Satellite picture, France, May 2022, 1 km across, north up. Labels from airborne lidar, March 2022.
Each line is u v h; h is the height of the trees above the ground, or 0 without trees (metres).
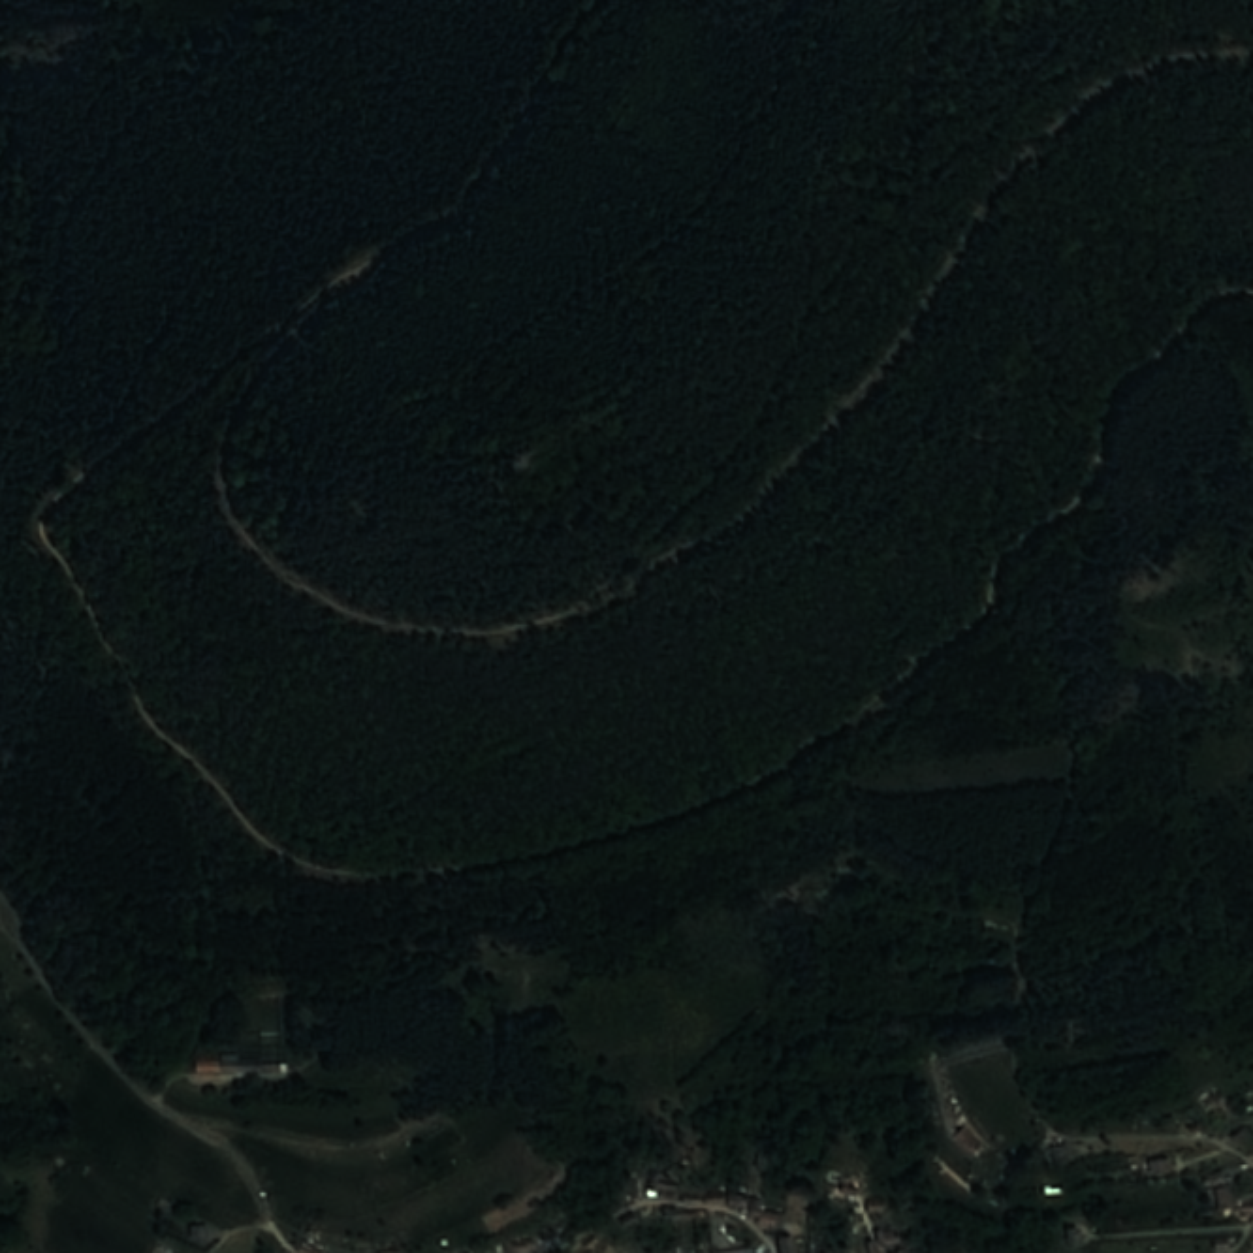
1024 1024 14
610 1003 0
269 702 15
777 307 24
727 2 11
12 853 16
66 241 24
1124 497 22
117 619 18
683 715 16
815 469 24
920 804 13
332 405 16
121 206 20
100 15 32
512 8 19
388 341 13
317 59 20
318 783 13
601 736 13
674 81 10
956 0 17
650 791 15
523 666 11
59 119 30
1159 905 7
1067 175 16
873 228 18
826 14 14
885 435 13
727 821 16
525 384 16
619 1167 17
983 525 16
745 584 15
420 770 11
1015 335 21
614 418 20
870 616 14
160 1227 9
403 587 18
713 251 17
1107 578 32
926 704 22
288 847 15
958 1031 26
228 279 20
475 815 15
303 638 11
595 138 13
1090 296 17
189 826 13
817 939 9
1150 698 28
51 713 17
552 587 23
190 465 11
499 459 13
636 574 13
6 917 0
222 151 21
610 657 14
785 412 23
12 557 13
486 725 13
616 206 14
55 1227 0
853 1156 0
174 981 26
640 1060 0
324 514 20
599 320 16
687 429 22
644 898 21
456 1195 0
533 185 16
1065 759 0
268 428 10
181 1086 0
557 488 19
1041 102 17
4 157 10
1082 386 16
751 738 13
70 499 13
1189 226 12
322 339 18
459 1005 23
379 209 26
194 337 20
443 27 20
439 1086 18
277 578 9
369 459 19
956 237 15
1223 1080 0
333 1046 17
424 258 15
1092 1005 8
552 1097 17
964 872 12
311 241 23
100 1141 0
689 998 0
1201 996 20
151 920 16
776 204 10
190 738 13
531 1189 0
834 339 19
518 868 19
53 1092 0
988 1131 0
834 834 13
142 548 12
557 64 18
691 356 20
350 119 24
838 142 12
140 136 20
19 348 18
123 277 22
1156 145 13
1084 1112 9
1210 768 0
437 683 15
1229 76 16
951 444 19
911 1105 19
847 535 15
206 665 21
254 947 16
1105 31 18
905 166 19
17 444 9
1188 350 20
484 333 16
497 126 24
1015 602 23
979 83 20
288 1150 0
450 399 19
